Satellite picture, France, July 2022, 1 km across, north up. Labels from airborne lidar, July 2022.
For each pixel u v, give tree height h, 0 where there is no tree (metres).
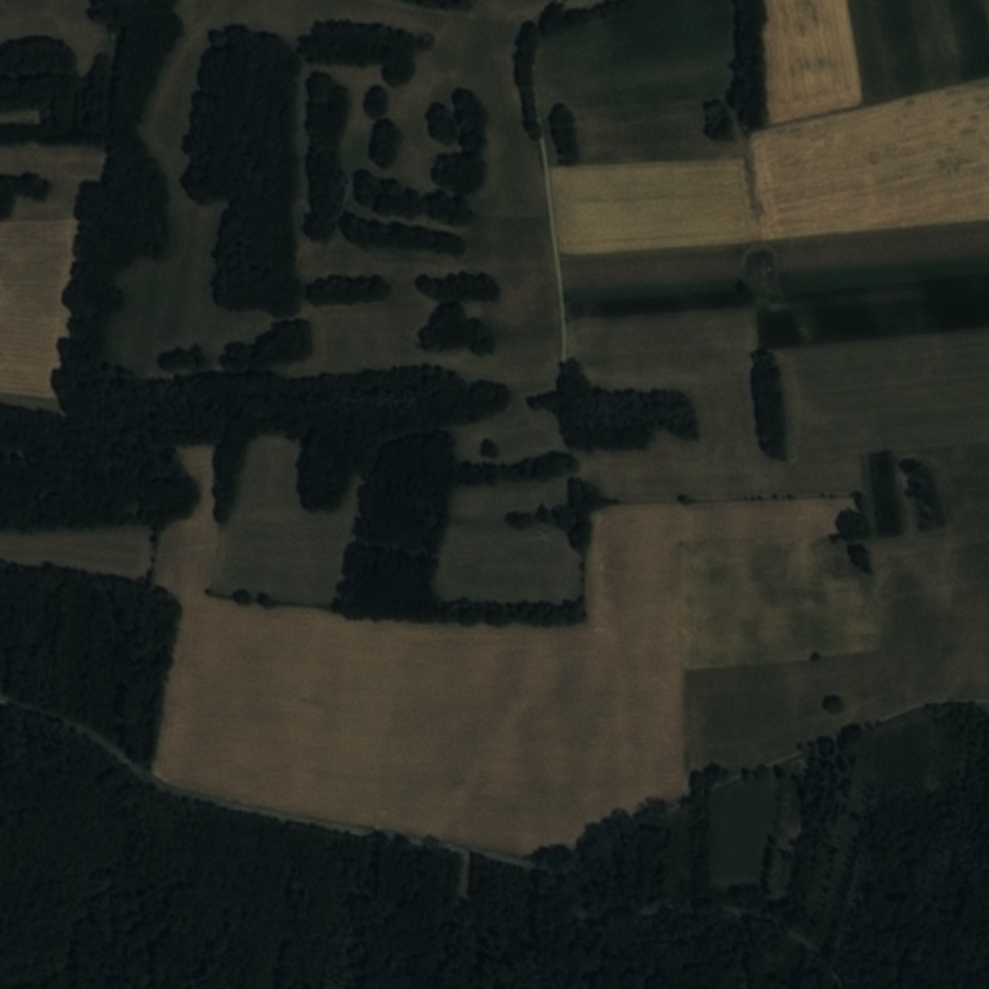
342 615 16
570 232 0
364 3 0
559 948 32
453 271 0
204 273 0
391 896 25
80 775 12
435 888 29
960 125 0
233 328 0
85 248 19
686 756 0
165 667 21
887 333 0
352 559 19
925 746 0
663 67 0
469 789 0
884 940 29
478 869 10
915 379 0
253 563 0
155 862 12
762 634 0
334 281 14
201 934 11
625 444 23
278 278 20
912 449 0
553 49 0
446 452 20
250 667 0
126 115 19
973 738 6
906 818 11
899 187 0
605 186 0
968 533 0
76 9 0
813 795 12
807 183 0
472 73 0
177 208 0
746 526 0
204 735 0
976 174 0
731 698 0
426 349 18
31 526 19
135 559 0
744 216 0
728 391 0
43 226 0
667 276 0
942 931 21
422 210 20
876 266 0
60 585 10
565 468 13
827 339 0
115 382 14
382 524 24
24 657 25
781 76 0
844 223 0
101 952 25
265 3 0
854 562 16
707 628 0
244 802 0
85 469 26
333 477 23
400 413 25
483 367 0
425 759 0
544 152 0
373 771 0
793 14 0
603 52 0
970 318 0
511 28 0
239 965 11
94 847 11
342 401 23
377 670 0
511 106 0
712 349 0
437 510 24
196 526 0
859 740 18
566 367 13
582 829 0
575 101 0
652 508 0
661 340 0
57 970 14
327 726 0
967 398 0
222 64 23
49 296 0
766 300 0
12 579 25
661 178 0
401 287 0
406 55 13
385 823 0
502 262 0
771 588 0
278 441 0
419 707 0
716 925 23
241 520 0
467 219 17
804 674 0
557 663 0
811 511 0
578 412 18
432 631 0
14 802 19
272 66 18
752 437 0
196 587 0
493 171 0
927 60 0
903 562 0
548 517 18
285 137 18
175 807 12
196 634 0
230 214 14
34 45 16
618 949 18
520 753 0
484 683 0
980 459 0
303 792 0
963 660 0
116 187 20
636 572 0
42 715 16
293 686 0
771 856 14
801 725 0
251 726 0
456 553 0
